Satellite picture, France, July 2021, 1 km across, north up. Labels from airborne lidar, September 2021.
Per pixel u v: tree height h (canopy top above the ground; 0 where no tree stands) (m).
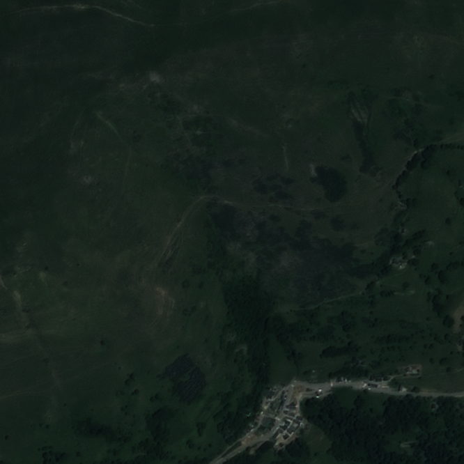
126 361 0
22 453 0
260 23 0
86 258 0
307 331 11
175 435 0
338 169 0
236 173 0
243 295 10
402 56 0
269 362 16
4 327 0
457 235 0
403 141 0
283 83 0
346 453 13
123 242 0
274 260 0
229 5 0
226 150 0
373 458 37
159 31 0
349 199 0
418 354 0
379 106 0
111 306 0
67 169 0
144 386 0
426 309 0
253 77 0
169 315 0
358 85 0
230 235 0
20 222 0
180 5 0
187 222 0
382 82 0
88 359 0
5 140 0
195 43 0
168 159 0
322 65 0
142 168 0
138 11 0
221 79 0
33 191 0
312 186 0
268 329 24
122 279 0
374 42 0
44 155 0
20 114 0
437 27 0
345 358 0
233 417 21
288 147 0
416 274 0
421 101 0
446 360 13
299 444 24
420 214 0
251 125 0
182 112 0
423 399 9
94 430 16
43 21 0
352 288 0
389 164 0
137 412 0
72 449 0
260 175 0
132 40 0
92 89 0
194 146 0
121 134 0
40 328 0
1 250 0
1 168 0
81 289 0
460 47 0
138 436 0
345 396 0
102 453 0
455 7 0
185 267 0
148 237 0
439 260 0
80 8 0
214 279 0
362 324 0
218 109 0
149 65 0
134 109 0
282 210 0
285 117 0
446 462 21
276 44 0
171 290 0
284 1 0
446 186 0
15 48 0
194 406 0
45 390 0
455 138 0
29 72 0
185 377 7
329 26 0
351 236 0
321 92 0
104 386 0
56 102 0
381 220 0
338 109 0
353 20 0
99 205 0
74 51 0
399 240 19
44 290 0
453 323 19
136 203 0
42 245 0
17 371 0
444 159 0
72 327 0
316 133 0
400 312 0
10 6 0
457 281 0
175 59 0
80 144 0
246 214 0
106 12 0
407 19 0
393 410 26
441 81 0
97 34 0
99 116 0
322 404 19
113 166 0
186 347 0
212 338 0
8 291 0
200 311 0
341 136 0
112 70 0
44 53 0
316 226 0
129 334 0
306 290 0
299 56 0
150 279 0
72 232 0
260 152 0
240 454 6
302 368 0
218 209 0
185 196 0
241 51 0
